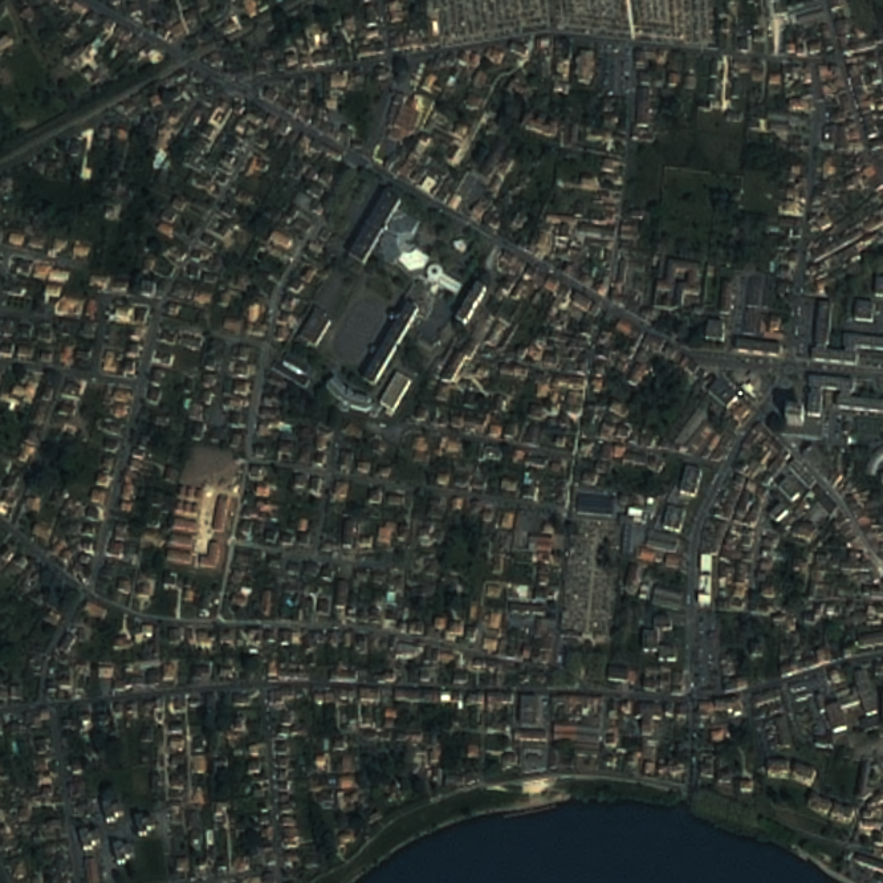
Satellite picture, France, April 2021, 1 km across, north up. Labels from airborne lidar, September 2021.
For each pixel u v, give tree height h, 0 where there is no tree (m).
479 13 0
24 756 8
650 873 0
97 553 0
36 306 12
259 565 8
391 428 0
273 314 0
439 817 0
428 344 0
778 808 22
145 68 8
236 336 0
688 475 0
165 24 8
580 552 0
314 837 6
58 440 0
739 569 0
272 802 0
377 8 5
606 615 0
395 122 0
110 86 7
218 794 10
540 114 8
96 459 0
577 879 0
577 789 8
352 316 0
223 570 0
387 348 0
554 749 11
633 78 0
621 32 0
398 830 0
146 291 0
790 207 0
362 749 6
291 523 6
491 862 0
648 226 7
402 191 8
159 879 7
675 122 7
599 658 22
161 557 7
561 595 0
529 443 0
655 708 0
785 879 0
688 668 0
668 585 7
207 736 9
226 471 0
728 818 20
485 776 7
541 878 0
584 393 0
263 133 6
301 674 0
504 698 0
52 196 0
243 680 8
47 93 8
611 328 8
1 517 0
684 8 0
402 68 11
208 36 17
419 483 0
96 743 17
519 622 0
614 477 12
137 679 0
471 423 0
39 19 10
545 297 7
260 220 13
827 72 0
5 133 16
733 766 6
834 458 8
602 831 0
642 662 16
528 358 8
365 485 0
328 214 19
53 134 0
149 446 8
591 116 10
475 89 6
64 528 6
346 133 8
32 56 0
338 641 6
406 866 0
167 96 16
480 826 0
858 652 9
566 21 0
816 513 0
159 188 13
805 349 0
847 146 0
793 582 12
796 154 7
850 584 7
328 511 8
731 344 0
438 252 15
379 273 10
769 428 10
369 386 10
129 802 11
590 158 8
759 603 13
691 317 10
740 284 0
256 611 5
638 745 7
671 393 14
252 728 14
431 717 11
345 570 0
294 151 6
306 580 8
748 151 8
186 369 0
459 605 19
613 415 6
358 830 16
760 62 7
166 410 9
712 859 0
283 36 13
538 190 7
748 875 0
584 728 0
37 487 19
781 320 6
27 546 0
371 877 0
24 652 6
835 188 6
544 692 0
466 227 0
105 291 0
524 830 0
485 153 13
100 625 12
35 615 8
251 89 0
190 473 0
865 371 0
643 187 0
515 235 9
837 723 0
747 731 10
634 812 0
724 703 0
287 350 9
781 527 13
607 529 0
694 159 10
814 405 0
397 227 0
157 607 0
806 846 13
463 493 0
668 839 0
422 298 0
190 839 6
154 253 8
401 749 13
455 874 0
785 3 7
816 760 6
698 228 12
